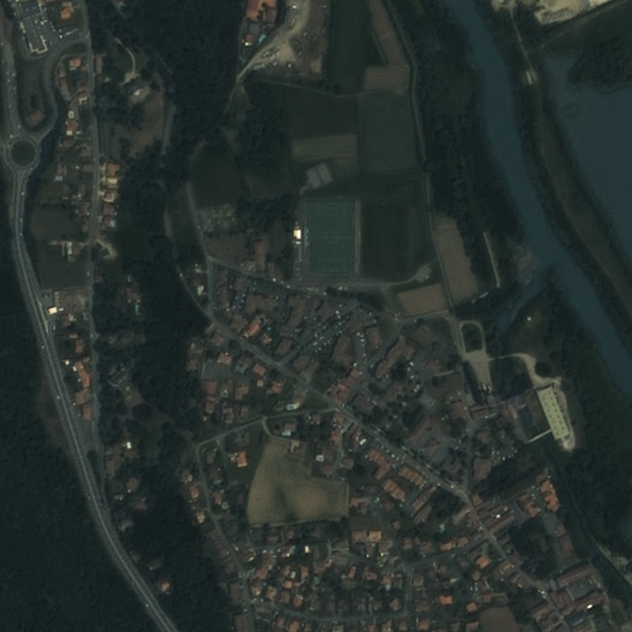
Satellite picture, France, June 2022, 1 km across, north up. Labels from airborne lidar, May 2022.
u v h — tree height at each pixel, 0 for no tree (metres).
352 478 6
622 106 0
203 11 26
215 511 7
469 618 12
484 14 8
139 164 22
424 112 7
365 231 0
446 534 8
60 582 23
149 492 10
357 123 0
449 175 23
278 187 0
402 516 6
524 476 7
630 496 25
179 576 33
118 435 21
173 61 20
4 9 12
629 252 0
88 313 0
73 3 0
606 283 6
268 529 12
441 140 25
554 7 0
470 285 0
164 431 15
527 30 10
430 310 0
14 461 21
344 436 6
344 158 0
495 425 9
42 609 16
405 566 0
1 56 0
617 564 0
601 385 0
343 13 0
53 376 0
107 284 6
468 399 0
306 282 0
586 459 27
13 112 0
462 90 0
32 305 0
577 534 17
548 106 8
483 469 0
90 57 0
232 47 21
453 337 0
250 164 20
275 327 11
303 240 0
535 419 0
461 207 26
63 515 18
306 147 0
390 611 8
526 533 15
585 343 15
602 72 9
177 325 6
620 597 16
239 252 0
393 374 12
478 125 12
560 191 0
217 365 0
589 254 5
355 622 0
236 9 23
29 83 0
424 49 12
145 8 22
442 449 0
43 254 0
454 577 0
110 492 9
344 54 0
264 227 18
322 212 0
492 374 0
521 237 10
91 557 20
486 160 16
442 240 0
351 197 0
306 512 0
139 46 10
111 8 18
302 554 7
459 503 8
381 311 14
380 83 0
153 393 21
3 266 20
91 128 0
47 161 7
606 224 6
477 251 14
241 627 0
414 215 0
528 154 11
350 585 0
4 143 0
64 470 15
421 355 0
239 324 0
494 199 16
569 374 14
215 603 22
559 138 6
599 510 21
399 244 0
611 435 13
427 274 0
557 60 0
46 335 0
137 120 23
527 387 19
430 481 0
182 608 19
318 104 0
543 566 18
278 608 0
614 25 0
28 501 25
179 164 30
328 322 6
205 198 0
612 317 8
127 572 0
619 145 0
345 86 0
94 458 14
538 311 0
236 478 0
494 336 12
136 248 0
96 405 0
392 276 0
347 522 17
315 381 0
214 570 20
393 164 0
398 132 0
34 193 11
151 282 16
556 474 12
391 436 12
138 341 0
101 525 0
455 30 13
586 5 0
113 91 10
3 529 22
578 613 0
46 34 0
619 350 0
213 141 22
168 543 23
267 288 12
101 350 19
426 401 0
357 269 0
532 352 0
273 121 6
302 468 0
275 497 0
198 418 28
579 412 0
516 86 12
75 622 22
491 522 0
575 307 0
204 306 10
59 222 0
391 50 0
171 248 19
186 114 14
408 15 9
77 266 0
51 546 21
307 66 0
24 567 18
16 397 13
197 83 25
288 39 0
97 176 0
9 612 28
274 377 18
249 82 9
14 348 23
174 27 23
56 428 0
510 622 0
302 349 11
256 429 0
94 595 19
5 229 16
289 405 0
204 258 8
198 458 0
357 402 0
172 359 28
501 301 16
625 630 0
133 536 18
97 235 0
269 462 0
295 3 0
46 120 7
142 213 8
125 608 21
